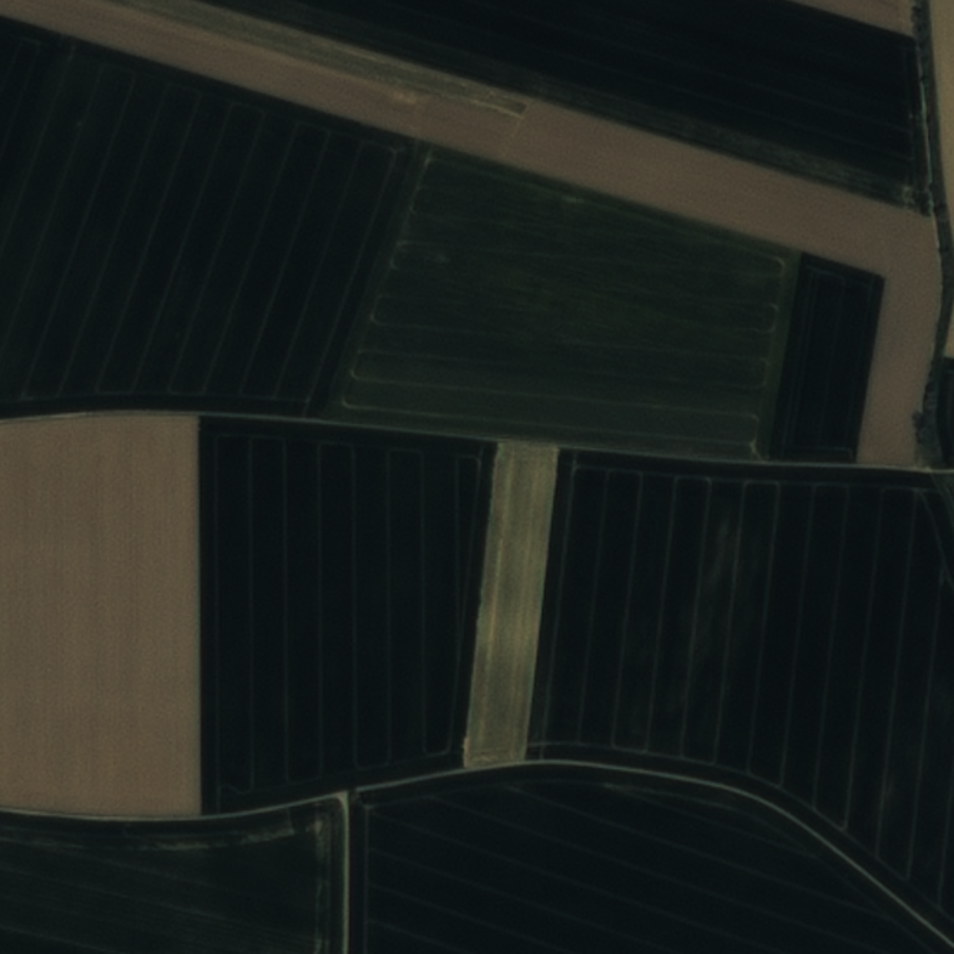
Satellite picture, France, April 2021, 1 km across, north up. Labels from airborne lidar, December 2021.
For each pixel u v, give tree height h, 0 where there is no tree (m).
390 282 0
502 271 0
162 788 0
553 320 0
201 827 0
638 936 0
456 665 0
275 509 0
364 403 0
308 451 0
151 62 0
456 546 0
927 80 8
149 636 0
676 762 0
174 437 0
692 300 0
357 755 0
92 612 0
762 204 0
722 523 0
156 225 0
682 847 0
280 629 0
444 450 0
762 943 0
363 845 0
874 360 0
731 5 0
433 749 0
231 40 0
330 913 0
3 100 0
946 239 0
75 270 0
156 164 0
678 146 0
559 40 0
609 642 0
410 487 0
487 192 0
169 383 0
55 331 0
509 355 0
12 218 0
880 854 0
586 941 0
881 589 0
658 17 0
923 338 0
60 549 0
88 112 0
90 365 0
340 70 0
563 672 0
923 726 0
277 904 0
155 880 0
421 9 0
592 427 0
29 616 0
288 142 0
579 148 0
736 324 0
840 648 0
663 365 0
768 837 0
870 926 0
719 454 0
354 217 0
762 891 0
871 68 0
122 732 0
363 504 0
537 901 0
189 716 0
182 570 0
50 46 0
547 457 0
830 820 0
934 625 0
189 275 0
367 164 0
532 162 0
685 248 0
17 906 0
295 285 0
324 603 0
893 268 0
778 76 0
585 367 0
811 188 0
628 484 0
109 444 0
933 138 0
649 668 0
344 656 0
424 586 0
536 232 0
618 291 0
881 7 0
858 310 0
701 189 0
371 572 0
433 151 0
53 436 0
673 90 0
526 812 0
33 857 0
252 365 0
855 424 0
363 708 0
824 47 0
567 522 0
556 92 0
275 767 0
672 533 0
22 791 0
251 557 0
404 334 0
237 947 0
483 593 0
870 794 0
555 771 0
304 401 0
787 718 0
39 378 0
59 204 0
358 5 0
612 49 0
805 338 0
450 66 0
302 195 0
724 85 0
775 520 0
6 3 0
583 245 0
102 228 0
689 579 0
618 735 0
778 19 0
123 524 0
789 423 0
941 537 0
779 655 0
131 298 0
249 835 0
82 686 0
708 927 0
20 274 0
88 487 0
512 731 0
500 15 0
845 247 0
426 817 0
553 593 0
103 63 0
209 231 0
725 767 0
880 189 0
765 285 0
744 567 0
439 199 0
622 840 0
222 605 0
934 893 0
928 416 11
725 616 0
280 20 0
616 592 0
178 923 0
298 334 0
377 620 0
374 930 0
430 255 0
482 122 0
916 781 0
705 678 0
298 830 0
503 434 0
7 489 0
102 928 0
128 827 0
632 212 0
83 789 0
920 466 0
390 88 0
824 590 0
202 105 0
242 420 0
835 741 0
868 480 0
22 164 0
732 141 0
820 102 0
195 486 0
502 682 0
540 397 0
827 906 0
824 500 0
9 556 0
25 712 0
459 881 0
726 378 0
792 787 0
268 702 0
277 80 0
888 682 0
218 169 0
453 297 0
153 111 0
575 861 0
